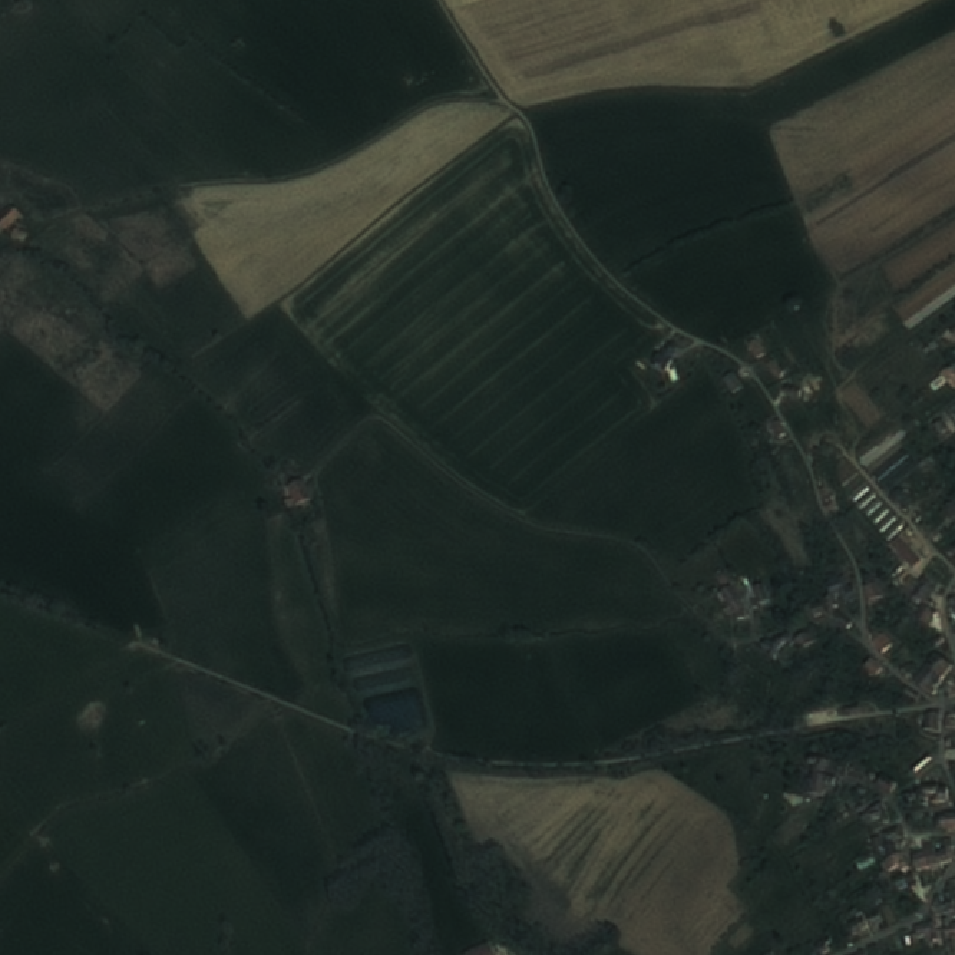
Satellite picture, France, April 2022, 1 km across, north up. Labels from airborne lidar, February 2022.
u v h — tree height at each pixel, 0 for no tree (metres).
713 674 0
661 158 0
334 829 0
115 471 0
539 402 0
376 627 0
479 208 0
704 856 0
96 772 0
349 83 0
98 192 0
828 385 0
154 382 0
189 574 0
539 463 0
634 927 0
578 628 0
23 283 0
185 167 0
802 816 0
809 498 0
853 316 0
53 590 0
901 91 0
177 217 0
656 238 0
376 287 0
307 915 0
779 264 0
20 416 0
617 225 0
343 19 0
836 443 0
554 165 0
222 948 12
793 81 0
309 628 0
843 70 0
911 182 0
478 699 0
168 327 0
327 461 0
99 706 0
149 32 0
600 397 0
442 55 0
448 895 0
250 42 0
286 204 0
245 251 0
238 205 0
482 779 0
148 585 0
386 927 0
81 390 0
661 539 0
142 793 0
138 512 0
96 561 0
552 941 0
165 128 0
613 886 0
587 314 0
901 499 15
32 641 0
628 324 0
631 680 0
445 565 0
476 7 0
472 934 0
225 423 0
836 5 0
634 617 0
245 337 0
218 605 0
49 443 0
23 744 0
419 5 0
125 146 0
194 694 0
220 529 0
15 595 8
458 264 0
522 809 0
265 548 0
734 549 0
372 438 0
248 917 0
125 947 0
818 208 0
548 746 0
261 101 0
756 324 0
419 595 0
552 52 0
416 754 14
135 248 0
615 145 0
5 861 0
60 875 0
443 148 0
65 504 0
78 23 0
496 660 0
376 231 0
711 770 0
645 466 0
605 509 0
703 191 0
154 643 0
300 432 0
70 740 0
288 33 0
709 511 0
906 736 10
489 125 0
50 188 0
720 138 0
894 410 0
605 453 0
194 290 0
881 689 8
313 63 0
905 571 0
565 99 0
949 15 0
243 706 0
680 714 0
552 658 0
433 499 0
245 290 0
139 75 0
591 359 0
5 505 0
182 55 0
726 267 0
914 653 6
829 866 0
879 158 0
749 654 0
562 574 0
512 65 0
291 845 0
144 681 0
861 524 0
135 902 0
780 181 0
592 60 0
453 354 0
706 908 0
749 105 0
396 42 0
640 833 0
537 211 0
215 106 0
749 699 0
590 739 0
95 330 0
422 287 0
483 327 0
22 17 0
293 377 0
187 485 0
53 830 0
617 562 0
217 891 0
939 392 0
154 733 0
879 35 0
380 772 13
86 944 0
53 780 0
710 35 0
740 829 0
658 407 0
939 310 0
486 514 0
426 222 0
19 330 0
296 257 0
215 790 0
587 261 0
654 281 0
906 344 0
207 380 0
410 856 24
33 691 0
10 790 0
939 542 0
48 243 0
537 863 0
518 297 0
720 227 7
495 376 0
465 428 0
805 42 0
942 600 0
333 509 0
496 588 0
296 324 0
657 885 0
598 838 0
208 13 0
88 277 0
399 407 0
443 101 0
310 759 0
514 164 0
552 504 0
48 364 0
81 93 0
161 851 0
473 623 0
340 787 0
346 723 0
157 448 0
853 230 0
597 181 0
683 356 0
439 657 0
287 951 0
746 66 0
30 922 0
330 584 0
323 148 0
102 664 0
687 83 0
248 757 0
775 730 16
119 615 0
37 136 0
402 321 0
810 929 0
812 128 0
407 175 0
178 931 0
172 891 0
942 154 0
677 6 0
